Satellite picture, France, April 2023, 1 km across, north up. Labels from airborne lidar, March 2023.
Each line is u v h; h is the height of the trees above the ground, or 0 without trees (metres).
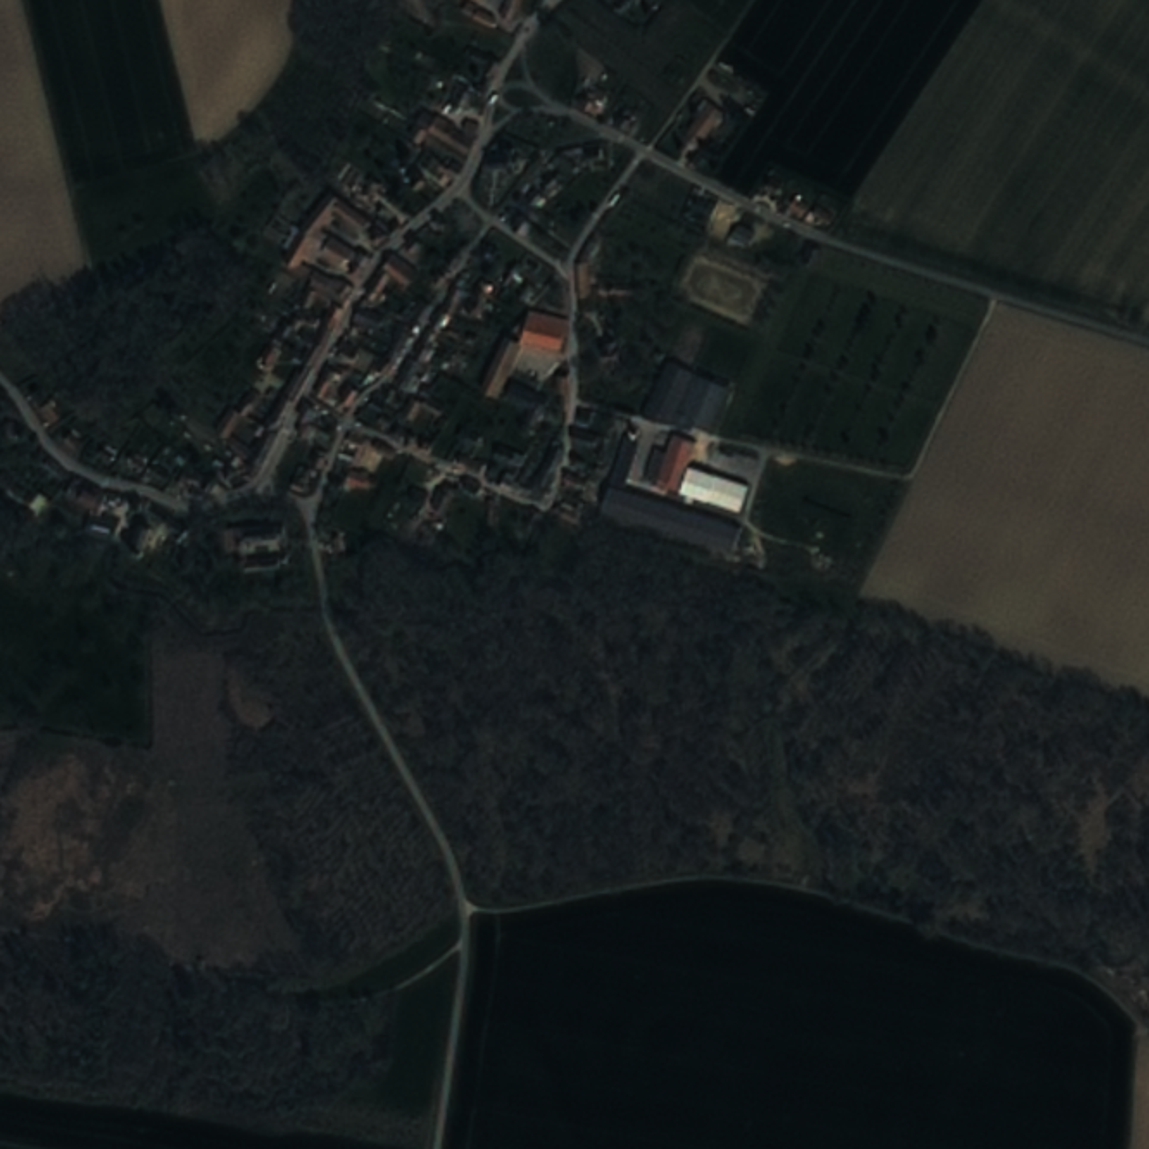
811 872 0
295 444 0
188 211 0
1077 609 0
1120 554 0
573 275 0
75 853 0
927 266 0
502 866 24
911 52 0
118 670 0
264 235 0
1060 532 0
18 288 0
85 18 0
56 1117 0
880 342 0
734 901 0
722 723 21
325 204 0
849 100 0
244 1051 18
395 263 0
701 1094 0
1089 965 17
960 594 0
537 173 0
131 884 0
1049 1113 0
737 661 34
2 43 0
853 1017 0
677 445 0
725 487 0
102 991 20
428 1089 0
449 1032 0
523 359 0
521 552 27
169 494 0
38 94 0
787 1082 0
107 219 0
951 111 0
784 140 0
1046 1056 0
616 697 17
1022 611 0
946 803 35
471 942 0
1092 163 0
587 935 0
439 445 0
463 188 0
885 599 0
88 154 0
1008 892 19
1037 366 0
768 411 0
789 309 0
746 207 0
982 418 0
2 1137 0
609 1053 0
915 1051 0
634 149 0
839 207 0
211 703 0
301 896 25
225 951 0
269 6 0
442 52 0
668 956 0
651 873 22
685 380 0
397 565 24
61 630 0
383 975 0
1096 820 0
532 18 0
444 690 23
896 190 0
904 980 0
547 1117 0
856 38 0
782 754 28
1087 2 0
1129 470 0
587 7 0
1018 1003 0
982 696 16
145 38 0
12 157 0
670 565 22
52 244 0
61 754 0
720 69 0
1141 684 0
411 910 28
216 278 27
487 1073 0
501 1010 0
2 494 7
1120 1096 0
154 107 0
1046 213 0
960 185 0
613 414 16
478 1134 0
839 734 12
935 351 0
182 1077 12
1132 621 0
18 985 18
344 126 9
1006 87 0
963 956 0
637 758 19
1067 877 24
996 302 0
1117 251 0
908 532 0
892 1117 0
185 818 0
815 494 0
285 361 0
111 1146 0
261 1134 0
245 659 6
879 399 0
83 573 28
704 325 0
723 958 0
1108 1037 0
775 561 0
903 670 21
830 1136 0
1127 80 0
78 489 0
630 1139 0
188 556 19
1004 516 0
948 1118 0
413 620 22
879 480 0
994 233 0
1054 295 0
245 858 0
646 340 10
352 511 0
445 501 0
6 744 0
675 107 0
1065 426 0
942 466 0
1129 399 0
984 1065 0
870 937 0
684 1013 0
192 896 0
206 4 0
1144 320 0
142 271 14
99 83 0
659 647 32
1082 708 14
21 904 0
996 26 0
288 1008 27
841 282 0
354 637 31
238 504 15
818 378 0
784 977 0
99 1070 17
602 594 29
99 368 25
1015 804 24
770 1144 0
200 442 0
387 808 25
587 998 0
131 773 0
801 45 0
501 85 0
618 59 0
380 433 0
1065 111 0
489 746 33
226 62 0
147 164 0
